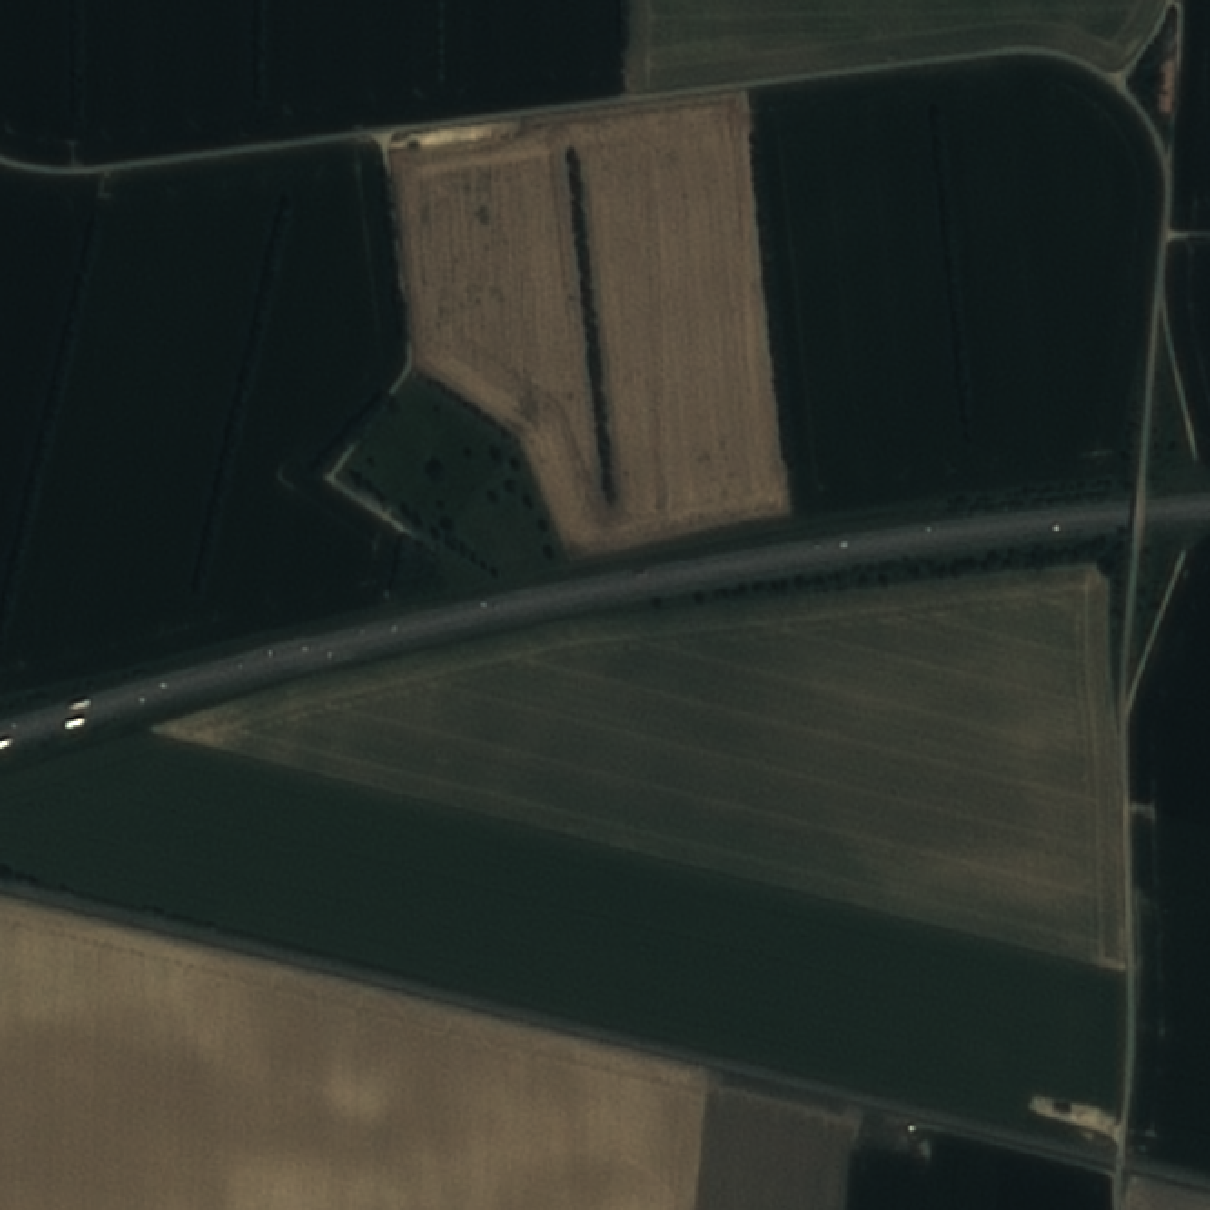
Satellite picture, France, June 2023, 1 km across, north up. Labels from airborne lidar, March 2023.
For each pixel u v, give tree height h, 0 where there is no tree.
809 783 0
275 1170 0
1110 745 0
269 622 0
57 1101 0
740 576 0
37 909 0
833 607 0
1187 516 0
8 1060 0
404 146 0
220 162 0
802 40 0
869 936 0
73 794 0
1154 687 0
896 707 0
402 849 0
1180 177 0
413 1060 0
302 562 0
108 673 0
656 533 0
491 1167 0
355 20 0
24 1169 0
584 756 0
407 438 0
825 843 0
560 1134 0
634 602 0
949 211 12
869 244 0
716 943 0
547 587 0
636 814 0
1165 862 0
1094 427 0
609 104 0
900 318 0
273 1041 0
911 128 0
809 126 0
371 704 0
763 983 0
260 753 0
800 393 0
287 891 0
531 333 0
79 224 0
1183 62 0
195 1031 0
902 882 0
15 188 0
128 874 0
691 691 0
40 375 0
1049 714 0
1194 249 0
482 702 0
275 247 13
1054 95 0
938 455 0
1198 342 0
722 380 0
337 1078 0
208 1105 0
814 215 0
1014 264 0
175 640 0
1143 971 0
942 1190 0
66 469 0
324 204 0
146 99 0
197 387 0
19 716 0
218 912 0
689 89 0
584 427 0
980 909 0
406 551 8
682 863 0
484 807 0
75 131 0
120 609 0
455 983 0
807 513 0
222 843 0
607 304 0
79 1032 0
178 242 0
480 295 0
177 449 0
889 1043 0
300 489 0
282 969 0
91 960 0
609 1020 0
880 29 0
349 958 0
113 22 0
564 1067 0
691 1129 0
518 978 0
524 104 0
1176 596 0
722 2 0
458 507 0
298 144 0
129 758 0
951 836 0
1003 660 0
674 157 0
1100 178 0
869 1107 0
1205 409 0
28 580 0
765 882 0
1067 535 0
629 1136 0
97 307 0
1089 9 0
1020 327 0
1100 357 0
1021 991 0
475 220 0
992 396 0
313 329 0
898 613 0
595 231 0
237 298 0
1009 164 0
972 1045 0
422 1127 0
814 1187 0
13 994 0
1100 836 0
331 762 0
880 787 0
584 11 0
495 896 0
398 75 0
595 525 0
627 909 0
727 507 0
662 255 0
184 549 0
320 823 0
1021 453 0
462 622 0
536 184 0
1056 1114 0
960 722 0
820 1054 0
